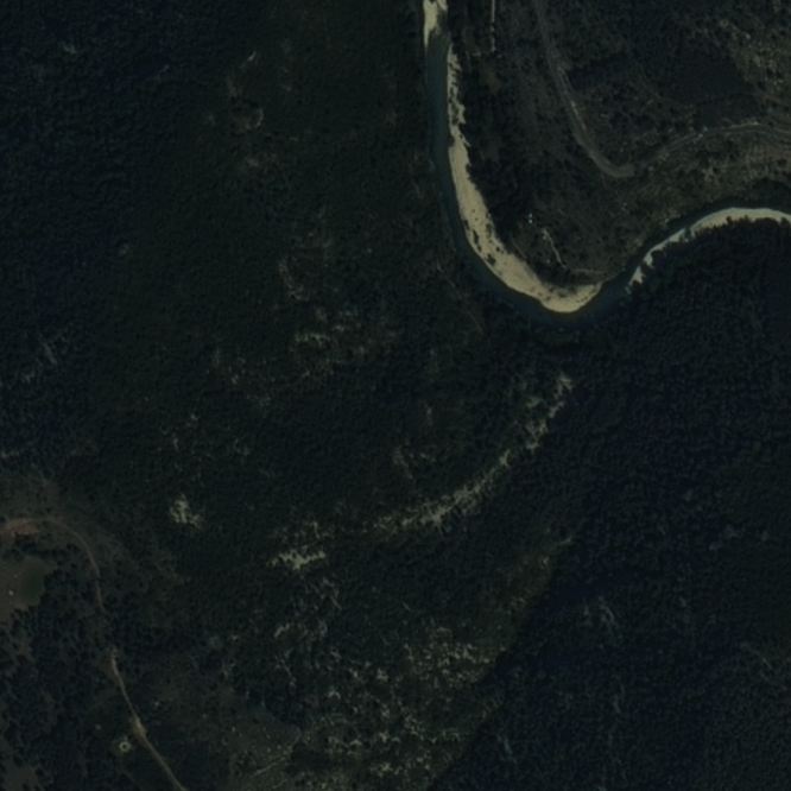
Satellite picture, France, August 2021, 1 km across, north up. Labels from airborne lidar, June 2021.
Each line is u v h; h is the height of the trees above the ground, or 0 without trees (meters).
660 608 8
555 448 22
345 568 6
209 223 11
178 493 6
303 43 5
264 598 9
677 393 14
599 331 15
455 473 7
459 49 14
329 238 7
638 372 18
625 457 20
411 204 8
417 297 10
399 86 8
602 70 15
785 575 7
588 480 16
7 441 12
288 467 8
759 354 11
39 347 16
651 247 0
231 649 12
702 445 12
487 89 14
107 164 11
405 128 11
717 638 10
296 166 8
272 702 12
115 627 7
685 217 0
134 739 9
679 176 9
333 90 9
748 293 16
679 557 8
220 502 9
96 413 6
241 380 6
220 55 11
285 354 8
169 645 17
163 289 10
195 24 6
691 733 8
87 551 0
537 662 10
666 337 23
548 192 7
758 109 13
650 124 15
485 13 14
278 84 6
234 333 9
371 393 11
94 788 18
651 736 6
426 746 6
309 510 6
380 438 9
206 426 7
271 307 8
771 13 16
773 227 18
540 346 21
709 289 23
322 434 9
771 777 23
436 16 0
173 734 6
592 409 19
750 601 7
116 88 7
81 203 13
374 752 8
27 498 0
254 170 7
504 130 16
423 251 8
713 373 16
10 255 11
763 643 13
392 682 9
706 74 20
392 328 9
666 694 8
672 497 13
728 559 9
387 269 12
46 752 17
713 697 15
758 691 21
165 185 8
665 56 15
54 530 0
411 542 9
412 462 9
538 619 7
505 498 8
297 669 7
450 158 0
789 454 8
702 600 7
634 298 8
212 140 9
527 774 7
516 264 0
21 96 7
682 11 14
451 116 0
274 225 9
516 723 6
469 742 8
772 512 8
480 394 18
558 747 9
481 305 15
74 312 6
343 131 6
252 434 10
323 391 9
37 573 0
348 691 6
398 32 10
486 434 22
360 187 6
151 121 7
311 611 9
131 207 10
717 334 10
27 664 16
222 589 11
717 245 21
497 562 6
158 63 10
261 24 8
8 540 0
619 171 0
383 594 6
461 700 6
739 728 18
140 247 7
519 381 10
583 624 5
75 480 7
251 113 8
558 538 8
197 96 10
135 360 7
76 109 14
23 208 10
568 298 0
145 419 9
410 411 20
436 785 9
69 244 6
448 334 7
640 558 8
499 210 15
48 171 8
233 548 7
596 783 7
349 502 7
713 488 5
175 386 7
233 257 9
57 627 10
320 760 9
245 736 0
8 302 8
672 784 11
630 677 9
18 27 7
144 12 7
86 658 17
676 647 9
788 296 20
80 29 7
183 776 7
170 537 7
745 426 9
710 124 14
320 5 7
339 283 7
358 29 10
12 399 14
